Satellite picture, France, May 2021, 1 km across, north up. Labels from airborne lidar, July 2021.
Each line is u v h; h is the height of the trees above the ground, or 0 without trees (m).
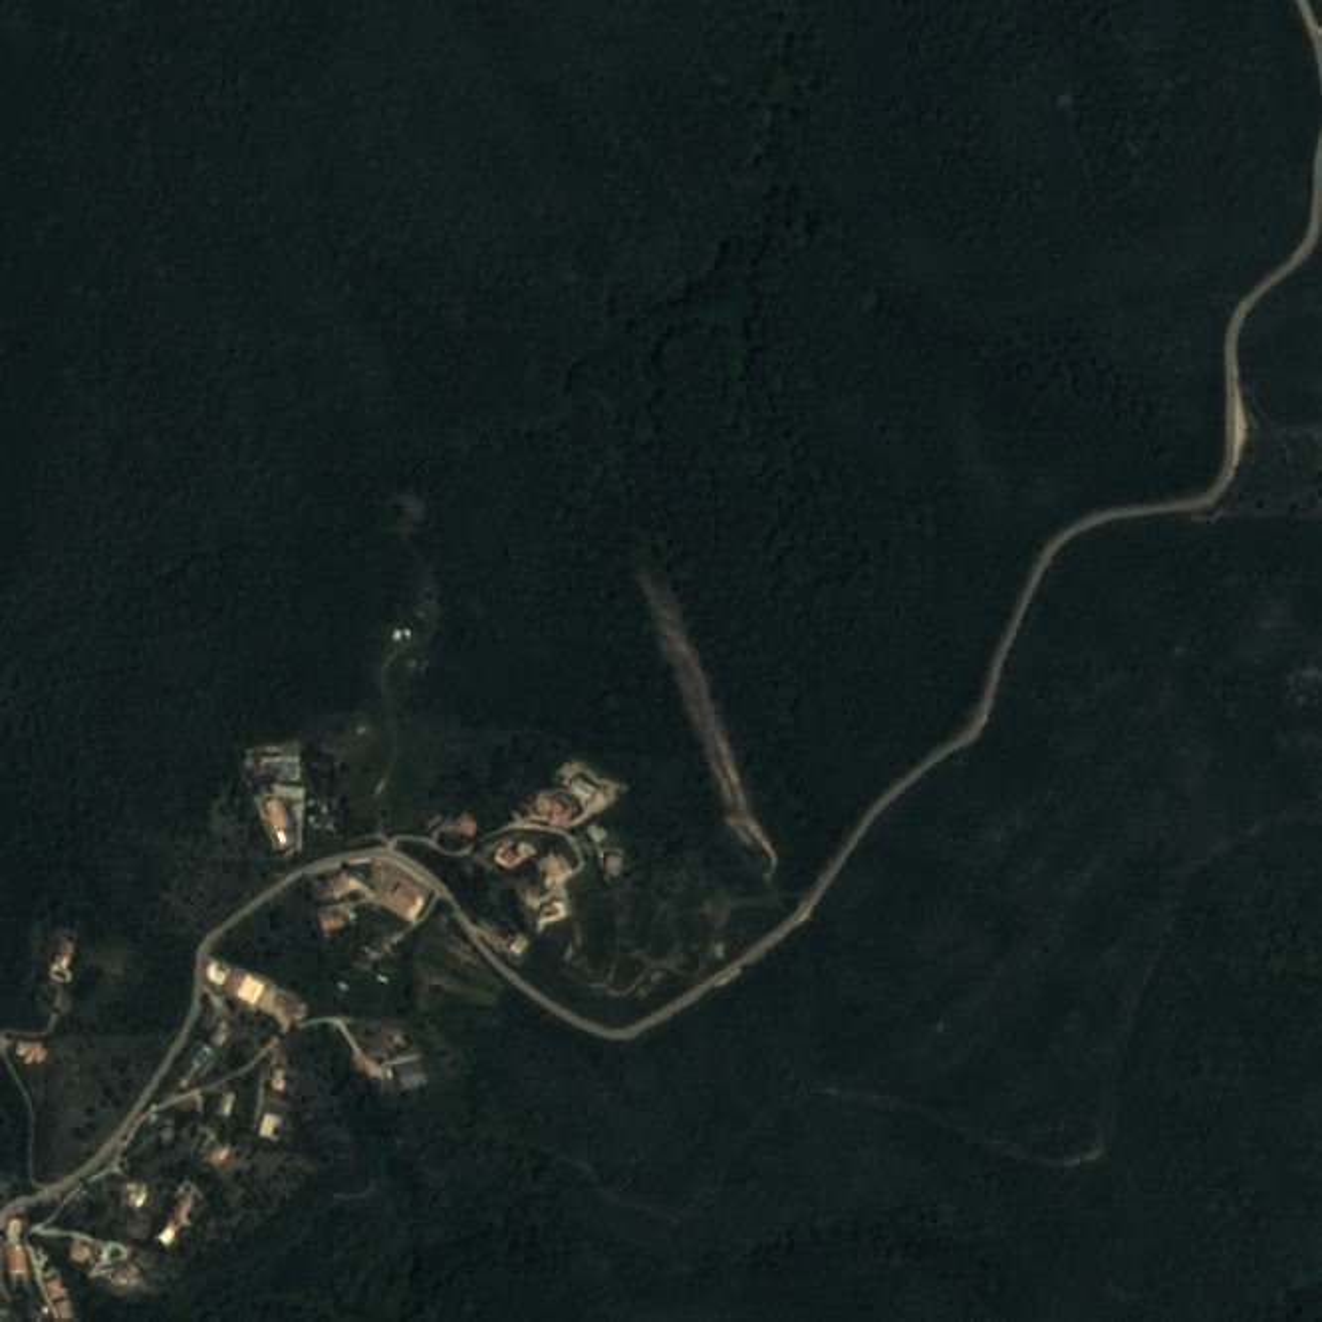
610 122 7
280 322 7
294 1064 8
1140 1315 5
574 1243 11
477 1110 6
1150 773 6
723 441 13
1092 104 6
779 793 6
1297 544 6
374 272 6
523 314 7
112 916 6
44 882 8
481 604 6
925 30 14
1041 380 13
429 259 7
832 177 6
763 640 6
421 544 6
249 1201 7
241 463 9
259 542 7
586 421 7
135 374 9
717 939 0
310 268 6
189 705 6
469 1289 6
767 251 17
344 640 5
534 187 7
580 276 8
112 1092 11
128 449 9
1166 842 8
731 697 7
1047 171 6
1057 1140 7
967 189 7
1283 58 7
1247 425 0
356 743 0
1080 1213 6
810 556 7
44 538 6
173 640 7
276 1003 0
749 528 12
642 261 9
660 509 13
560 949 0
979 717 0
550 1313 6
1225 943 5
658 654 9
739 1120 7
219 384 9
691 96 9
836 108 6
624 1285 6
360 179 6
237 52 6
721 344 10
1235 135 9
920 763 7
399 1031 0
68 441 7
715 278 22
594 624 8
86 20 6
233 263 7
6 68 5
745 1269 8
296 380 6
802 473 8
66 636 7
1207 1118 8
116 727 10
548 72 6
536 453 8
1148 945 6
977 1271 15
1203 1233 6
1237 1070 8
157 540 7
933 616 6
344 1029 0
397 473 15
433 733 0
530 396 7
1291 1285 7
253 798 9
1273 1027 8
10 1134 9
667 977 0
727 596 9
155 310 8
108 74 7
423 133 6
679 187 8
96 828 7
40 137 6
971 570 6
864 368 6
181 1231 7
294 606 6
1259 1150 8
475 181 7
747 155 11
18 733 12
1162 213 7
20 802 10
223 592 7
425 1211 8
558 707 5
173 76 7
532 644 6
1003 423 6
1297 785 7
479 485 6
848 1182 6
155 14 6
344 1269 10
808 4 9
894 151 7
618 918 0
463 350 9
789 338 11
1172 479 6
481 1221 9
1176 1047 6
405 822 0
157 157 8
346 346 7
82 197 6
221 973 0
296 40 8
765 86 11
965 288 6
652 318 19
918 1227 6
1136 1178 6
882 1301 9
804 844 6
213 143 9
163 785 8
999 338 5
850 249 9
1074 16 6
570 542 8
